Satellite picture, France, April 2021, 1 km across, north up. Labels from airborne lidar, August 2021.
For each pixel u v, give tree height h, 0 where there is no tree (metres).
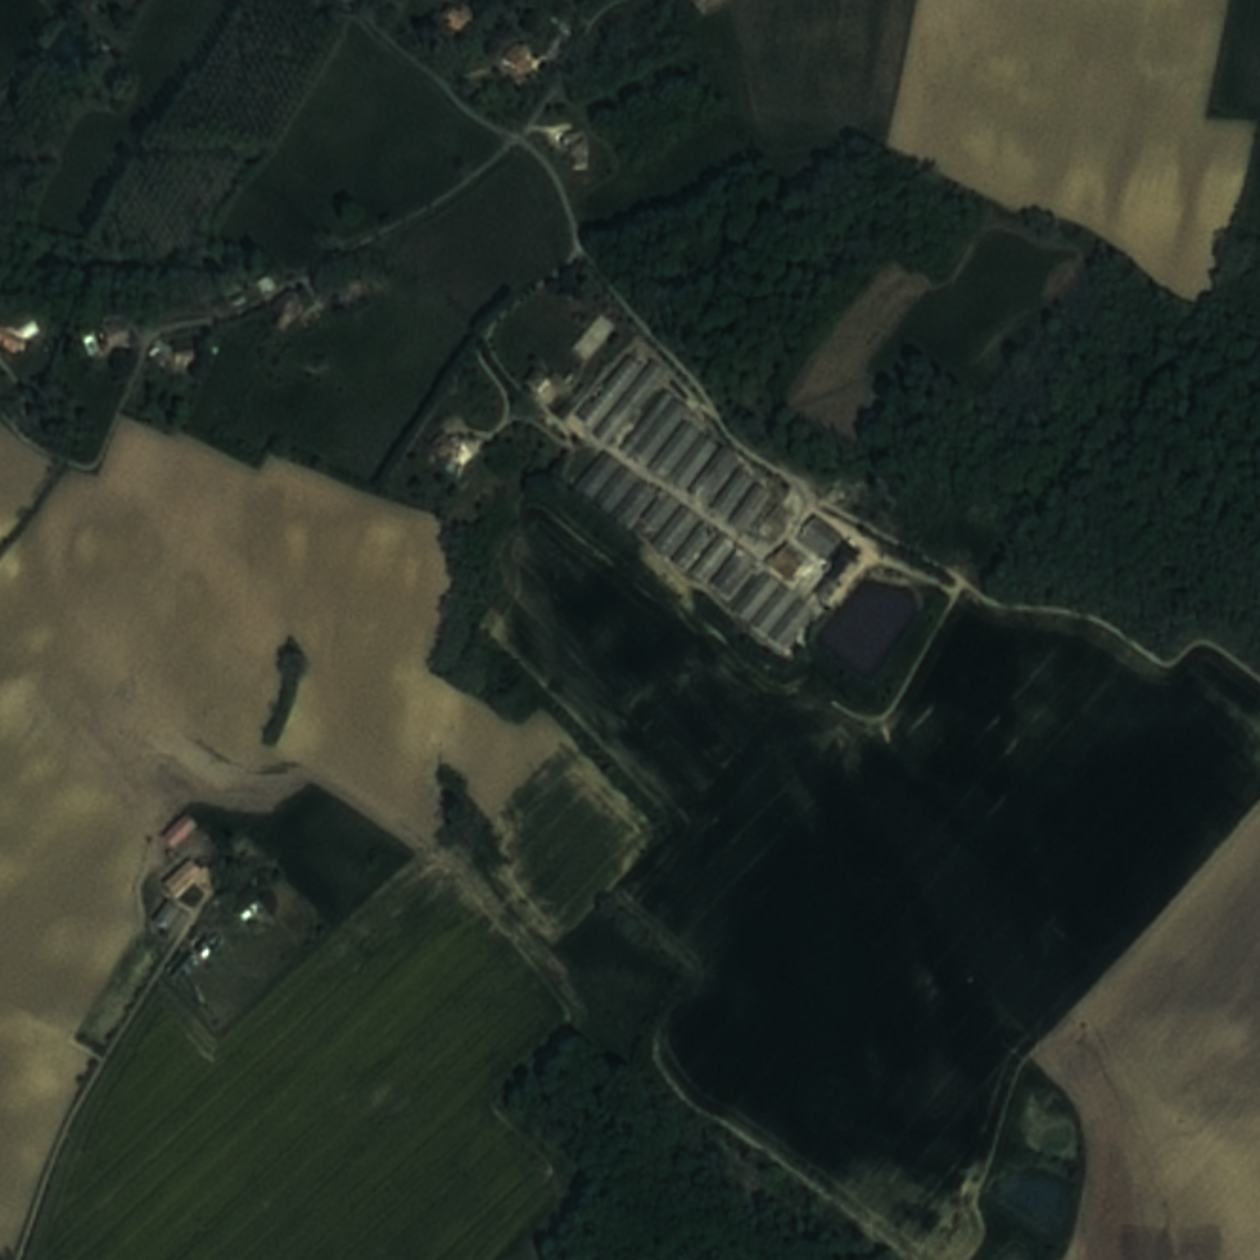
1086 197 0
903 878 0
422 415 8
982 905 0
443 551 9
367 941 0
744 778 0
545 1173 0
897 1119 0
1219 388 28
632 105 21
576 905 0
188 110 20
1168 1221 0
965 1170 0
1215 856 0
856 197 24
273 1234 0
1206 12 0
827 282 23
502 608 0
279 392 0
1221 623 18
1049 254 0
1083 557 21
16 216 15
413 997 0
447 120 0
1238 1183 0
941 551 0
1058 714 0
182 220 25
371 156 0
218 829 0
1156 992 0
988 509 22
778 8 0
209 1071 0
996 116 0
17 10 0
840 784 0
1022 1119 0
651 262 22
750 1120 0
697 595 6
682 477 0
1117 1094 0
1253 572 21
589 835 0
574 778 0
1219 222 0
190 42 0
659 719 0
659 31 19
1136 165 0
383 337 0
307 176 0
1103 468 24
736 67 0
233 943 0
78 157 0
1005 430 20
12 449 0
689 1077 0
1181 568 21
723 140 0
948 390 20
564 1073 20
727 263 14
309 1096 0
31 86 19
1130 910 0
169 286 20
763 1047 0
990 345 0
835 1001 0
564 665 0
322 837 0
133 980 0
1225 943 0
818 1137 0
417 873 0
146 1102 0
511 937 0
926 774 0
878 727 0
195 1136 0
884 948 0
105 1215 0
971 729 0
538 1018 0
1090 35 0
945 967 0
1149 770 0
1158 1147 0
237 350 0
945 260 11
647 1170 31
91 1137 0
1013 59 0
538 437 10
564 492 9
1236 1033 0
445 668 15
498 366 9
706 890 0
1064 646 0
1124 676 0
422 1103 0
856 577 0
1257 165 0
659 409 0
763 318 25
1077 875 0
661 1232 25
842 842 0
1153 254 0
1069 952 0
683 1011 0
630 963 0
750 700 0
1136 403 19
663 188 0
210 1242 0
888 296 0
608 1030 0
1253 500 21
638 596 0
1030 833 0
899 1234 0
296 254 0
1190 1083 0
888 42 0
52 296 21
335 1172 0
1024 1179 0
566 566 0
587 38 15
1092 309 19
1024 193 0
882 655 0
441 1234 0
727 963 0
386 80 0
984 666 0
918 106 0
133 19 10
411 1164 0
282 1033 0
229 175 21
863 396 0
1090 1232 0
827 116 0
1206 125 0
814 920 0
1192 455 27
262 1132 0
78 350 11
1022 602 12
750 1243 30
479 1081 0
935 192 15
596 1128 24
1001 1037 0
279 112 13
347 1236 0
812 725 0
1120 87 0
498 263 0
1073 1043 0
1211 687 0
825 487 0
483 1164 0
